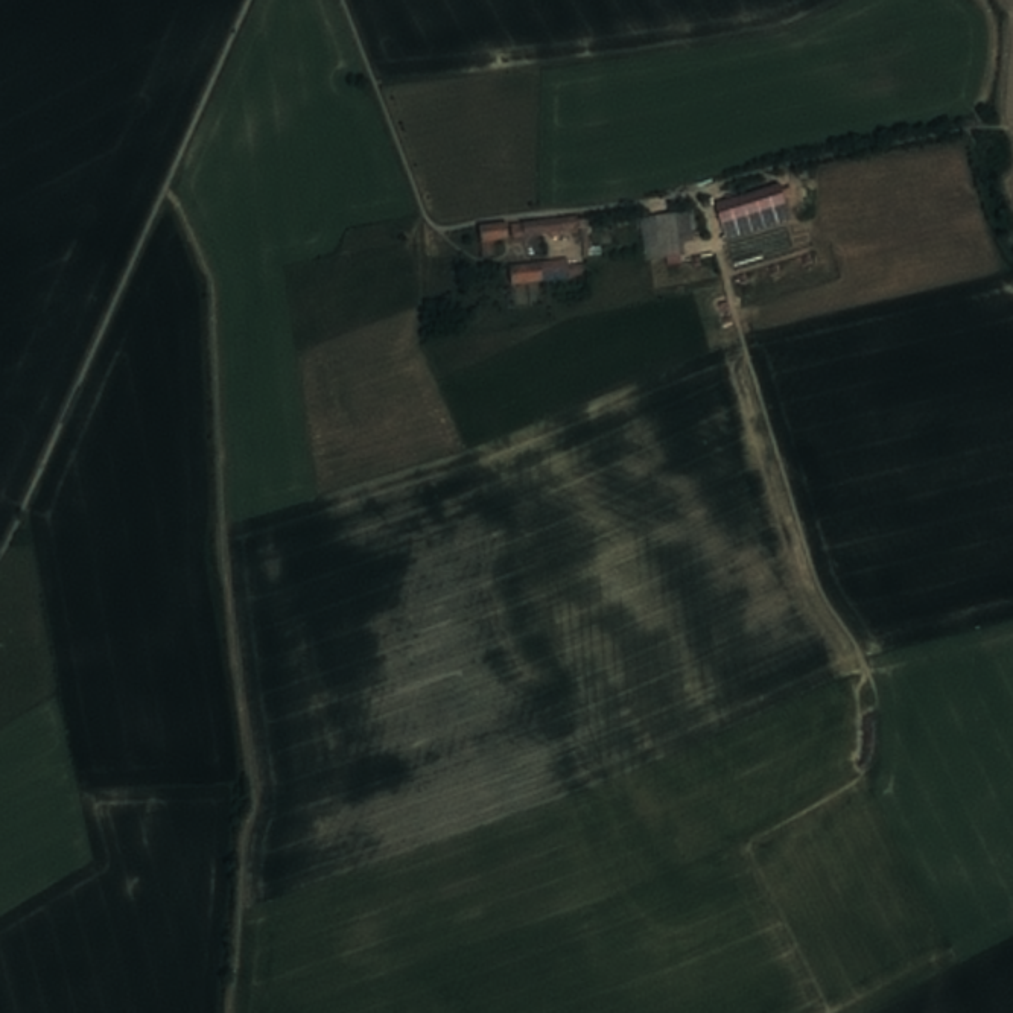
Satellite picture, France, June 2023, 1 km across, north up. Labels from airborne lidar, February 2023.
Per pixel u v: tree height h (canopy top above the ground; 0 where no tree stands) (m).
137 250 0
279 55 0
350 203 0
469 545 0
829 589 0
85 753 0
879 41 0
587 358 0
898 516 0
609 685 0
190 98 0
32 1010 0
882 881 0
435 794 0
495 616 0
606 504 0
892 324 0
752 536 0
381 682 0
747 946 0
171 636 0
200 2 0
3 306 0
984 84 0
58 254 0
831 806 0
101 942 0
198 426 0
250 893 0
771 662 0
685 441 0
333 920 0
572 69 0
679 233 0
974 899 0
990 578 0
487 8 0
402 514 0
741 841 0
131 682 0
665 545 0
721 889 0
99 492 0
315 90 0
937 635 0
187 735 0
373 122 0
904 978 0
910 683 0
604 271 0
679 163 0
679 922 0
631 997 0
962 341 0
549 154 0
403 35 0
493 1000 0
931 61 0
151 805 0
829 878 0
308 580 0
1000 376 0
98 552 0
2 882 0
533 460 0
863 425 0
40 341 0
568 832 0
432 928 0
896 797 0
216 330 0
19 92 0
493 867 0
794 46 0
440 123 0
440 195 0
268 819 0
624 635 0
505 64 0
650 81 0
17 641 0
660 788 0
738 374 0
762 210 0
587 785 0
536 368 0
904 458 0
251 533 0
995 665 0
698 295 0
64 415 0
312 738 0
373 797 0
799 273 0
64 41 0
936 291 0
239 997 0
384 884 0
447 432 0
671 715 0
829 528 0
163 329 0
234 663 0
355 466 0
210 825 0
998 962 0
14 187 0
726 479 0
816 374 0
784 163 15
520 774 0
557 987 0
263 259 0
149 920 0
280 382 0
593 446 0
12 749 0
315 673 0
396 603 0
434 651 0
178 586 0
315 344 0
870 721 0
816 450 0
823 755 0
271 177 0
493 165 0
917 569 0
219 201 0
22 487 0
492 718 0
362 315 0
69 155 0
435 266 0
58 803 0
